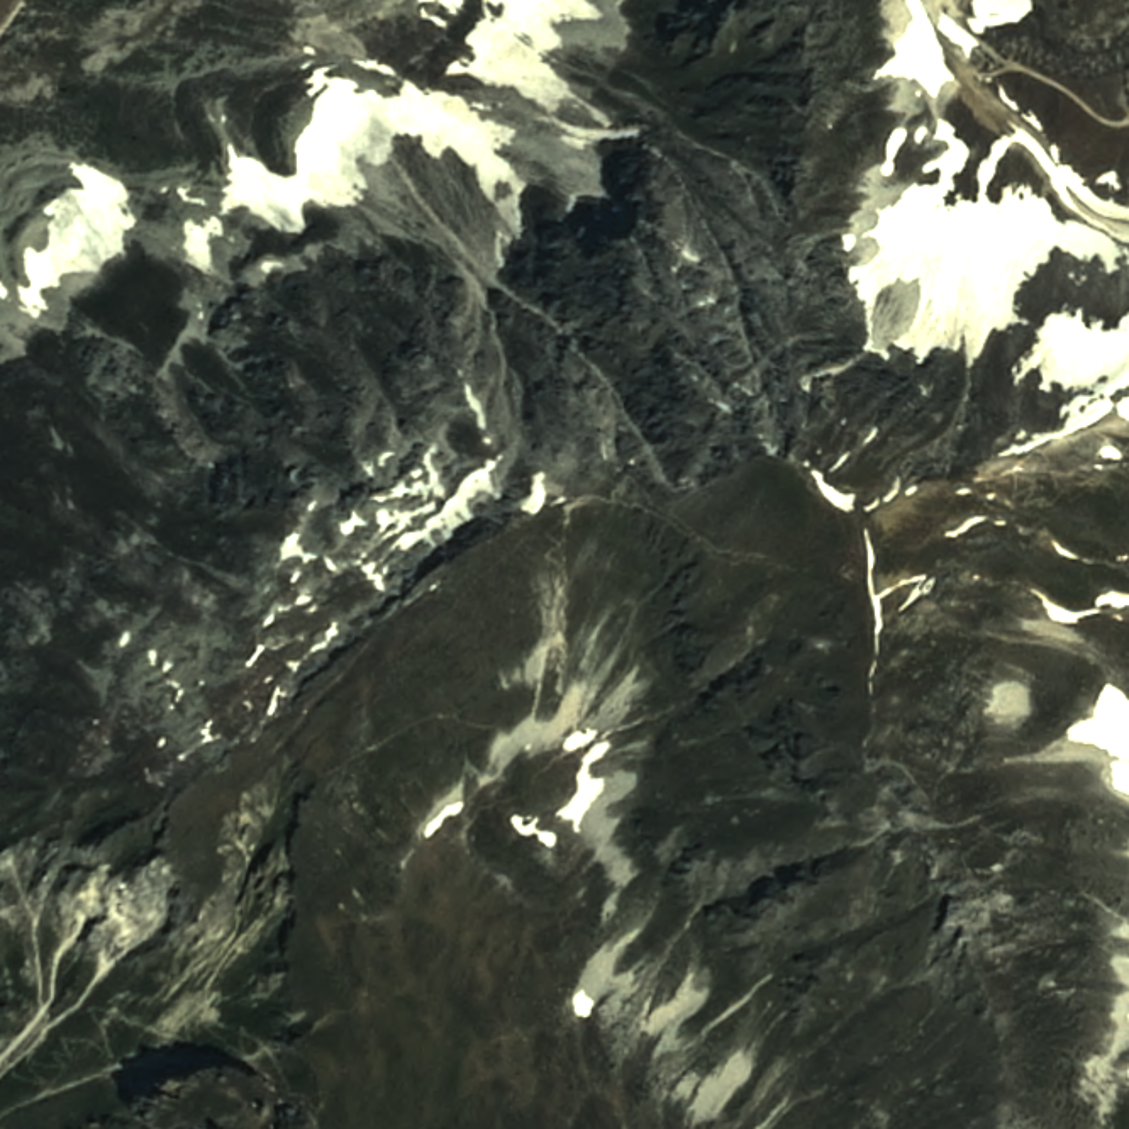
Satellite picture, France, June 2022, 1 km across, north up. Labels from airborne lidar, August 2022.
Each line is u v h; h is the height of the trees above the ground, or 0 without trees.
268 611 0
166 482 0
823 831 0
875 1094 0
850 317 0
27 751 0
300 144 0
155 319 0
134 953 0
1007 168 0
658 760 0
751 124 0
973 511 0
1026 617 0
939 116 0
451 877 0
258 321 0
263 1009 0
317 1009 0
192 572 0
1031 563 0
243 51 0
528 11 0
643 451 0
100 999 0
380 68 0
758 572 0
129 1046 0
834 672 0
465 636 0
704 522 0
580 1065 0
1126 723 0
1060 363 0
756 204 0
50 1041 0
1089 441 0
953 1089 0
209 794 0
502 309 0
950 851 0
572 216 0
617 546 0
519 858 0
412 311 0
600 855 0
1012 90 0
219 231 0
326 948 0
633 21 0
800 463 0
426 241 0
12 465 0
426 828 0
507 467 0
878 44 0
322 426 0
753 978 0
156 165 0
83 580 0
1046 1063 0
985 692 0
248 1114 0
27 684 0
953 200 0
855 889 0
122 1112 0
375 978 0
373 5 0
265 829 0
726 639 0
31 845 0
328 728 0
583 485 0
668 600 0
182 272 0
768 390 0
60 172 0
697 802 0
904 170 0
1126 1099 0
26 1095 0
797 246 0
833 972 0
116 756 0
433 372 0
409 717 0
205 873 0
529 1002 0
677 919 0
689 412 0
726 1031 0
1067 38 0
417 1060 0
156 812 0
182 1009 0
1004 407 0
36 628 0
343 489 0
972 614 0
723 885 0
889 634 0
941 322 0
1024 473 0
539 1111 0
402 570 0
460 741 0
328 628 0
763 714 0
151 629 0
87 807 0
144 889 0
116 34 0
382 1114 0
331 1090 0
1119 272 0
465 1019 0
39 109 0
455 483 0
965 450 0
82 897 0
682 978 0
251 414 0
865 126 0
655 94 0
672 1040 0
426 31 0
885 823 0
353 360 0
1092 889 0
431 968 0
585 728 0
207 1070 51
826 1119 0
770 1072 0
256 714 0
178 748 0
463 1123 0
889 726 0
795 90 0
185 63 0
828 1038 0
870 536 0
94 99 0
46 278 0
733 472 0
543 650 0
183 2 0
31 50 0
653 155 0
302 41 0
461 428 0
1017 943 0
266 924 0
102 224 0
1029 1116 0
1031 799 0
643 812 0
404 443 0
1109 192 0
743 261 0
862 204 0
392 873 0
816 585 0
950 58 0
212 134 0
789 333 0
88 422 0
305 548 0
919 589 0
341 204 0
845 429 0
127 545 0
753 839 0
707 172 0
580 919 0
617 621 0
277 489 0
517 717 0
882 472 0
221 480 0
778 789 0
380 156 0
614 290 0
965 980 0
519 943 0
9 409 0
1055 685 0
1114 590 0
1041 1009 0
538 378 0
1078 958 0
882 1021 0
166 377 0
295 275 0
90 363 0
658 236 0
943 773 0
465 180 0
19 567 0
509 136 0
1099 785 0
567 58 0
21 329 0
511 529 0
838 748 0
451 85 0
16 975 0
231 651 0
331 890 0
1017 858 0
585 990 0
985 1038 0
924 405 0
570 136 0
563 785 0
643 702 0
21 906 0
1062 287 0
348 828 0
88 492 0
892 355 0
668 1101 0
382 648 0
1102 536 0
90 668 0
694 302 0
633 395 0
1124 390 0
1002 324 0
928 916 0
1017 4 0
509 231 0
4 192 0
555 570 0
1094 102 0
